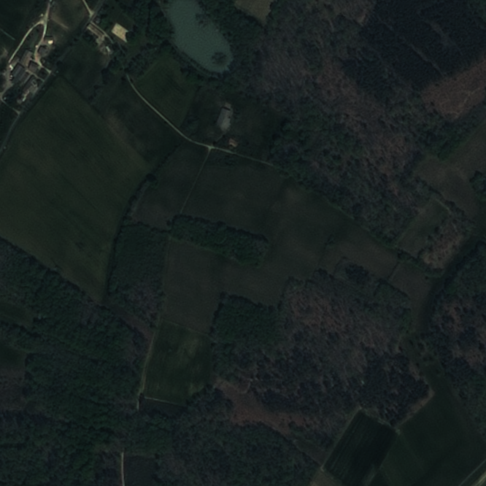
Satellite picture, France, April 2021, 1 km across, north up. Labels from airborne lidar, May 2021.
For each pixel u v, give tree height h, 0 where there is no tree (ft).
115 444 33
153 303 30
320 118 65
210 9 58
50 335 40
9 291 52
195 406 47
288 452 39
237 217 0
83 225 0
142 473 20
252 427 46
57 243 0
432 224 0
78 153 0
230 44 43
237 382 20
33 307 27
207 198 0
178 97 0
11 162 0
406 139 37
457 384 60
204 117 0
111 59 0
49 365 65
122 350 50
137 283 27
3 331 42
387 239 55
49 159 0
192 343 0
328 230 0
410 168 51
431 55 56
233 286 0
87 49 0
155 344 0
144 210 0
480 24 52
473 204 0
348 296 22
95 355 52
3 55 0
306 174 73
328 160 47
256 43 56
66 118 0
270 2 0
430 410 0
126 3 0
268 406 79
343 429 49
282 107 62
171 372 0
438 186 0
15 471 39
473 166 0
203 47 0
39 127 0
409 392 59
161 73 0
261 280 0
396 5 52
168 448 68
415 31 56
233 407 64
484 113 33
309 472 58
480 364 24
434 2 52
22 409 0
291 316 36
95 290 0
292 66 52
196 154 0
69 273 0
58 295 73
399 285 0
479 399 68
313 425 29
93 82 0
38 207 0
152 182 68
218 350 50
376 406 61
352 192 37
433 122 45
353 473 0
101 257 0
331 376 57
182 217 38
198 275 0
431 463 0
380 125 24
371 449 0
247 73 54
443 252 19
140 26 52
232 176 0
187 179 0
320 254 0
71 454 53
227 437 50
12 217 0
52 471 73
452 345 64
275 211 0
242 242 61
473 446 0
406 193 36
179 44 0
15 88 19
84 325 33
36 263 65
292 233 0
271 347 55
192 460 53
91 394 48
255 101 32
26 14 0
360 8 52
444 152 56
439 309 58
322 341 39
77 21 0
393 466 0
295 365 70
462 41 61
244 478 63
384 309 43
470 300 54
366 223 44
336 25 42
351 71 69
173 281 0
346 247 0
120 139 0
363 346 32
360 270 34
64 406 91
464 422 0
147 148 0
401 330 50
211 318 0
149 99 0
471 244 0
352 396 35
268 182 0
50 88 0
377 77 69
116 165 0
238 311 53
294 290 46
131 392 35
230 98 0
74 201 0
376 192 45
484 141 0
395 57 59
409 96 27
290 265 0
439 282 0
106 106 0
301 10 59
